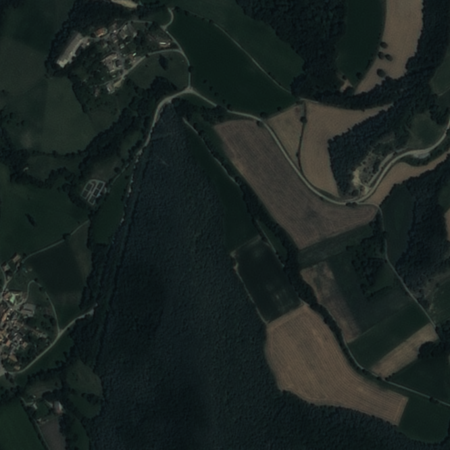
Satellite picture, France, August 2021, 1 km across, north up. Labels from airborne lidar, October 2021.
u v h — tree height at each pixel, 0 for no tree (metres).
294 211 0
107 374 12
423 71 14
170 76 0
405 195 0
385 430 17
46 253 0
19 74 0
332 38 21
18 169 23
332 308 0
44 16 0
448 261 9
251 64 0
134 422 17
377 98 23
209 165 0
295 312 0
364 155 11
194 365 13
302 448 22
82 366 0
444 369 0
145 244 13
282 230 19
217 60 0
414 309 0
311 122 0
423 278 11
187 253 8
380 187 0
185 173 10
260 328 14
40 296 0
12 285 0
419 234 19
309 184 0
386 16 0
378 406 0
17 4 24
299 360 0
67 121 0
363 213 0
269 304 0
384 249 11
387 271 0
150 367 8
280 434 22
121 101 0
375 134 10
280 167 0
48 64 13
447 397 0
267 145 0
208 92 0
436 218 23
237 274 11
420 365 0
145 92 22
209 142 18
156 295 24
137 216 11
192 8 0
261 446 19
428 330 0
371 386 0
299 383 0
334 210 0
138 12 7
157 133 8
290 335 0
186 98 0
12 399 17
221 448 8
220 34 0
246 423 18
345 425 18
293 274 21
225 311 11
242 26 0
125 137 17
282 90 0
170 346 16
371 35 0
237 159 0
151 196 6
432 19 17
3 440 0
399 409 0
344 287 0
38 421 7
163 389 16
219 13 0
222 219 14
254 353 11
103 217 0
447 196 0
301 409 18
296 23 27
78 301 0
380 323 0
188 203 11
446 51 11
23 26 0
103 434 9
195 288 9
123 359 12
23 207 0
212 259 9
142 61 0
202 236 13
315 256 0
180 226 8
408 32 0
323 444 23
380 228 15
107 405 16
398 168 0
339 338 11
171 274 10
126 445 11
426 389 0
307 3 25
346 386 0
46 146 0
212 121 8
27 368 0
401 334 0
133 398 11
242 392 13
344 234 0
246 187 21
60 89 0
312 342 0
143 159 9
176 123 10
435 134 0
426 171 0
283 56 0
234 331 15
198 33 0
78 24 18
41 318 0
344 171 9
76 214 0
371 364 0
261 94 0
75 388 0
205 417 15
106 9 27
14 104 0
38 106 0
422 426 0
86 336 17
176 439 22
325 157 0
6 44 0
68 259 0
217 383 15
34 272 0
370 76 0
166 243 12
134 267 17
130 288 19
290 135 0
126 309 16
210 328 11
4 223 0
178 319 13
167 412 23
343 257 0
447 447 16
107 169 0
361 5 0
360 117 0
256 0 29
